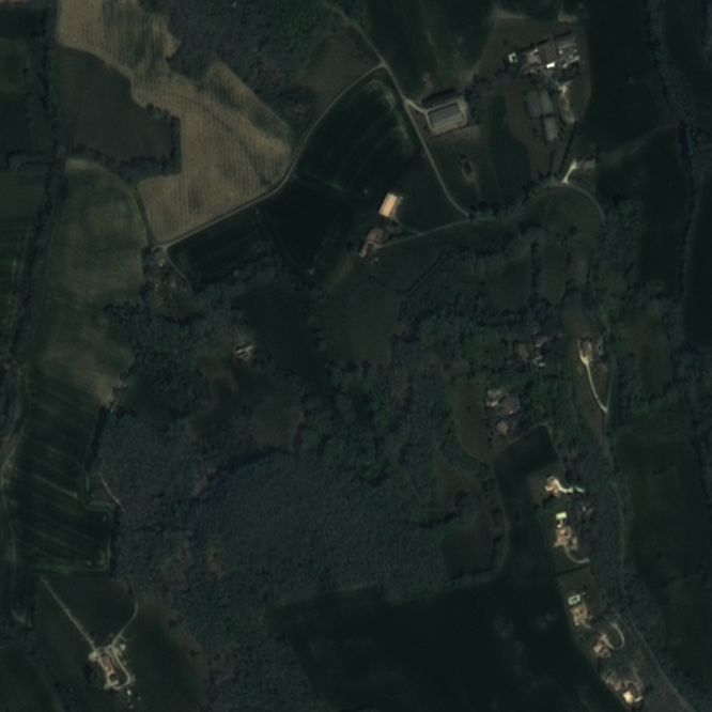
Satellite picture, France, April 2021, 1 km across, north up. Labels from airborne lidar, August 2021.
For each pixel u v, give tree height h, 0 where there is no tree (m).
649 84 0
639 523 0
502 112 0
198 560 9
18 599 0
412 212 0
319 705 14
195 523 14
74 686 0
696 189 11
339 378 17
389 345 0
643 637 19
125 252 0
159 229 0
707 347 0
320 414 21
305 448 21
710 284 0
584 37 0
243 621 12
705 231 0
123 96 0
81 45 0
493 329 16
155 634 0
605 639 0
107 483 12
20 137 0
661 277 0
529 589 0
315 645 0
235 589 13
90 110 0
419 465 24
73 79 0
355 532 17
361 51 6
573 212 0
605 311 21
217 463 10
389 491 26
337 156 0
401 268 0
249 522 17
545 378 8
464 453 14
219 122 0
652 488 0
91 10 0
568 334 14
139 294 0
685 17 0
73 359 0
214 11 16
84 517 0
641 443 0
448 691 0
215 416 0
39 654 18
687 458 0
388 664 0
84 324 0
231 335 22
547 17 0
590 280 8
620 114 0
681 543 0
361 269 0
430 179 0
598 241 0
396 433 15
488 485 13
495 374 14
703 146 27
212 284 9
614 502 27
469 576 12
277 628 0
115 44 0
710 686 0
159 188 0
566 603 0
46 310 0
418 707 0
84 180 0
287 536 19
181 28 16
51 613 0
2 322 0
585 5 0
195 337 25
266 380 0
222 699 19
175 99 0
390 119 0
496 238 0
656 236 0
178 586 10
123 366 0
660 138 0
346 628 0
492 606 0
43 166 13
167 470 15
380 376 6
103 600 0
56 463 0
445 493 0
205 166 0
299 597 18
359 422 16
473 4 0
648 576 0
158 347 20
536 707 0
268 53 17
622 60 0
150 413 0
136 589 20
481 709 0
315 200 0
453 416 10
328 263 0
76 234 0
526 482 0
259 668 12
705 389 20
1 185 0
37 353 0
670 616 11
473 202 0
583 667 0
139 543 17
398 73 0
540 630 0
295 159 0
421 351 16
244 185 0
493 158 0
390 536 21
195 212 0
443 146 0
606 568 23
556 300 0
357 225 0
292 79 11
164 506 9
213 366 0
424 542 20
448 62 0
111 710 0
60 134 13
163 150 0
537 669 0
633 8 0
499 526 12
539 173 0
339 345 0
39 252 8
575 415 21
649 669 13
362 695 0
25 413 0
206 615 17
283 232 0
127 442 23
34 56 0
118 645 0
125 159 0
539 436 0
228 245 0
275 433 0
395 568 18
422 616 0
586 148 0
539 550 0
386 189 0
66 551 0
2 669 0
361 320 0
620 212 20
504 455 0
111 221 0
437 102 11
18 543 0
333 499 19
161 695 0
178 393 10
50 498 0
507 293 0
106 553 0
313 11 26
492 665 0
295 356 0
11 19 0
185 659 0
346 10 18
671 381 0
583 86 0
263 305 0
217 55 11
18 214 0
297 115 9
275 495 16
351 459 21
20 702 0
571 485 10
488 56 0
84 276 0
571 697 0
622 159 0
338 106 0
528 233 17
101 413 0
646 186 0
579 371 0
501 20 0
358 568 20
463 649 0
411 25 0
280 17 21
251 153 0
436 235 0
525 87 0
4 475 0
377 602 0
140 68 0
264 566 19
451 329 8
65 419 0
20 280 0
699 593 0
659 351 0
